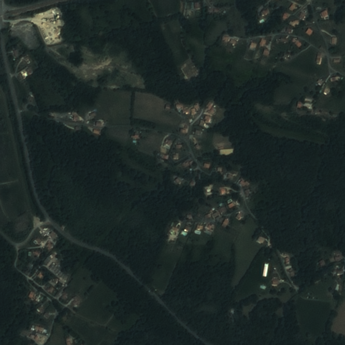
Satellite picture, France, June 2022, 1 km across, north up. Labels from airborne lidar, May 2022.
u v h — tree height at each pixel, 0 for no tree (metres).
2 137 0
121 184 21
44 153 15
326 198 24
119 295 16
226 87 24
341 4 18
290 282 7
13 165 0
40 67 13
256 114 14
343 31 0
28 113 0
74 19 11
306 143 17
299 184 24
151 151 0
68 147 22
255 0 21
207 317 12
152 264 19
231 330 11
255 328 28
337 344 18
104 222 8
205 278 13
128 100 0
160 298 14
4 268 24
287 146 29
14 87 0
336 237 6
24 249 8
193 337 15
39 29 0
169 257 0
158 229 11
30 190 8
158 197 10
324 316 0
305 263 32
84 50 0
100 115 0
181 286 7
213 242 6
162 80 22
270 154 25
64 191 11
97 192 22
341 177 9
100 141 14
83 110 0
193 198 11
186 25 31
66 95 15
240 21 0
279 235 24
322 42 0
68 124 0
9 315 23
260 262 0
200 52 0
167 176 12
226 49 0
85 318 0
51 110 9
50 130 17
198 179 12
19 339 22
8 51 7
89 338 0
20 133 9
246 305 18
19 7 0
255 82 15
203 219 0
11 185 0
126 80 0
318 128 16
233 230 0
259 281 0
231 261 6
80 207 8
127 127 0
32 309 16
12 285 21
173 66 18
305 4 0
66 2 5
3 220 0
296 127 9
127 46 8
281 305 21
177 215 15
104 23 0
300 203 14
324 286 0
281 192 15
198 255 0
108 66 0
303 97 7
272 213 19
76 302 0
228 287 7
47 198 15
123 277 17
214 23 0
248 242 0
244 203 0
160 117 0
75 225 9
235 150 13
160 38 19
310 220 22
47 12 0
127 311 16
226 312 14
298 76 0
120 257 15
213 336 20
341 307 0
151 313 18
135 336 18
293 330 19
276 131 0
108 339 0
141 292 19
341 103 0
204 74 23
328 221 7
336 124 11
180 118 0
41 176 15
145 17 0
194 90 23
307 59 0
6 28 6
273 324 21
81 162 24
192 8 0
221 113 0
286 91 0
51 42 0
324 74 0
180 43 0
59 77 15
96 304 0
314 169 29
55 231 9
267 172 23
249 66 0
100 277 15
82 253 7
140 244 8
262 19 0
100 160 21
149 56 12
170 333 20
